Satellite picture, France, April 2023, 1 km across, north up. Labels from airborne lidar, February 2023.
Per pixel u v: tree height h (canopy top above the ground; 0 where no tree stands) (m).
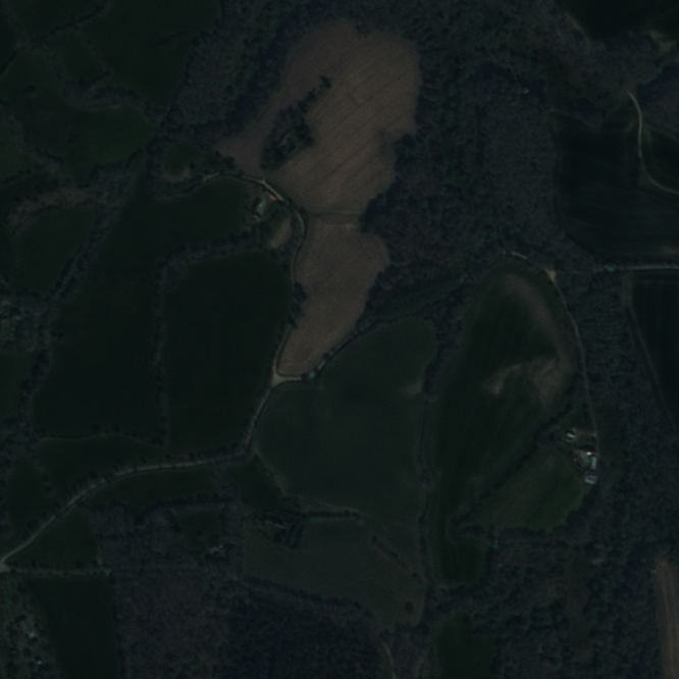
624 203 0
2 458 5
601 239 0
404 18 22
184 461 7
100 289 0
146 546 11
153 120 16
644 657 19
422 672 8
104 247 0
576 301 12
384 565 0
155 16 0
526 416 0
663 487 16
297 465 0
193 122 7
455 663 0
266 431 0
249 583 12
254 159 0
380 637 10
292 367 0
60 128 0
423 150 17
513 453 0
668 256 0
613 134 0
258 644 15
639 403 19
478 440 0
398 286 16
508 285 0
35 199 7
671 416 0
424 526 14
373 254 0
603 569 17
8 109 16
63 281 10
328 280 0
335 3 23
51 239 0
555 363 0
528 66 9
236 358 0
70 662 0
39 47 15
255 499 0
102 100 17
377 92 0
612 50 26
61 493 0
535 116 21
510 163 21
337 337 0
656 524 21
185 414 0
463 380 0
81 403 0
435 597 14
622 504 12
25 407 14
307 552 0
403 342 0
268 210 0
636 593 25
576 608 0
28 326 12
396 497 0
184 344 0
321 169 0
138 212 0
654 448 18
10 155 0
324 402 0
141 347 0
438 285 31
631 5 0
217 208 0
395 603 0
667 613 0
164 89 0
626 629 18
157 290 8
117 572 15
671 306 0
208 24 0
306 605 16
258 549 0
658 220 0
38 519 0
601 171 0
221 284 0
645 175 13
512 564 0
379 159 0
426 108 26
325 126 0
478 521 0
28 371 0
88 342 0
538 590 18
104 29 0
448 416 0
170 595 13
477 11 15
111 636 0
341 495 0
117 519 13
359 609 10
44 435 15
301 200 0
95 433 11
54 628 0
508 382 0
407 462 0
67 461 0
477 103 13
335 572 0
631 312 0
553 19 21
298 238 11
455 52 0
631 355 11
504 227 7
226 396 0
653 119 19
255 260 0
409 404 0
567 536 21
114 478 10
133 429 0
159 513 13
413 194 18
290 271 11
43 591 0
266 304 0
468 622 15
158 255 0
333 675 17
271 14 12
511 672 9
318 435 0
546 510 0
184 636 11
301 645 18
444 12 7
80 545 0
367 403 0
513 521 0
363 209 0
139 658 12
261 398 11
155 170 18
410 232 20
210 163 0
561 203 0
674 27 0
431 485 16
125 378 0
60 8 0
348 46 0
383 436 0
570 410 11
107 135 0
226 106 7
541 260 28
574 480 0
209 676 11
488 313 0
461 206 25
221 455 12
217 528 0
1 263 0
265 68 30
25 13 0
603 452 0
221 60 17
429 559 14
